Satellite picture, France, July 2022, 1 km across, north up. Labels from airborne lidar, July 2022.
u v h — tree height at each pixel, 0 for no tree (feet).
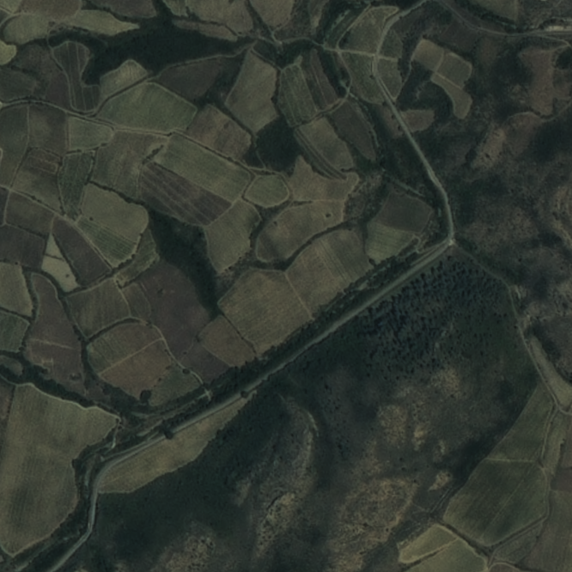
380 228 0
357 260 0
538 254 0
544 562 0
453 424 0
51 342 0
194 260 20
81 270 0
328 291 0
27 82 0
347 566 0
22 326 0
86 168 0
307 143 0
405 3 36
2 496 0
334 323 0
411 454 0
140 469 0
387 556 0
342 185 0
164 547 0
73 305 0
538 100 0
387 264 28
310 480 0
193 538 0
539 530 0
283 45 20
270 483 0
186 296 0
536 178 0
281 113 20
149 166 0
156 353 0
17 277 0
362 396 0
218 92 0
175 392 0
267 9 0
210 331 0
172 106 0
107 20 0
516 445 0
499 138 0
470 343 24
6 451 0
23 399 0
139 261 0
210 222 0
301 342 21
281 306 0
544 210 0
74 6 0
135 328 0
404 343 37
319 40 19
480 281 27
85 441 0
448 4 0
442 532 0
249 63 0
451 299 36
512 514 0
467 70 0
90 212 0
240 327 0
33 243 0
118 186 0
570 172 0
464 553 0
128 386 0
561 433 0
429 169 0
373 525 0
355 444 0
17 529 0
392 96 0
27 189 0
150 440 0
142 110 0
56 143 0
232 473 29
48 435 0
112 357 0
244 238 0
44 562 23
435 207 40
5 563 31
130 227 0
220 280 0
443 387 0
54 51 0
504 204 0
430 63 0
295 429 0
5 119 0
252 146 24
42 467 0
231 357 0
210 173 0
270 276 0
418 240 0
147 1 0
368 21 0
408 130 0
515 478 0
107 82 0
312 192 0
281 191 0
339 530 0
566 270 0
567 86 0
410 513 0
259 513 0
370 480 0
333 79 48
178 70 0
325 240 0
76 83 0
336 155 0
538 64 0
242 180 0
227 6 0
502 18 25
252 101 0
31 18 0
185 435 0
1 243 0
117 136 0
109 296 0
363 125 0
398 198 0
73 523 20
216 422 0
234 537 0
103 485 0
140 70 0
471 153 20
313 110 0
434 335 26
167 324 0
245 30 0
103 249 0
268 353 25
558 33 0
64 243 0
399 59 21
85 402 35
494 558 0
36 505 0
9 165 0
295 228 0
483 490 0
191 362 0
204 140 0
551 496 0
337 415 0
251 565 0
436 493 0
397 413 0
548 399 0
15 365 0
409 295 51
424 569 0
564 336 0
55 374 0
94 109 0
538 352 0
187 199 0
